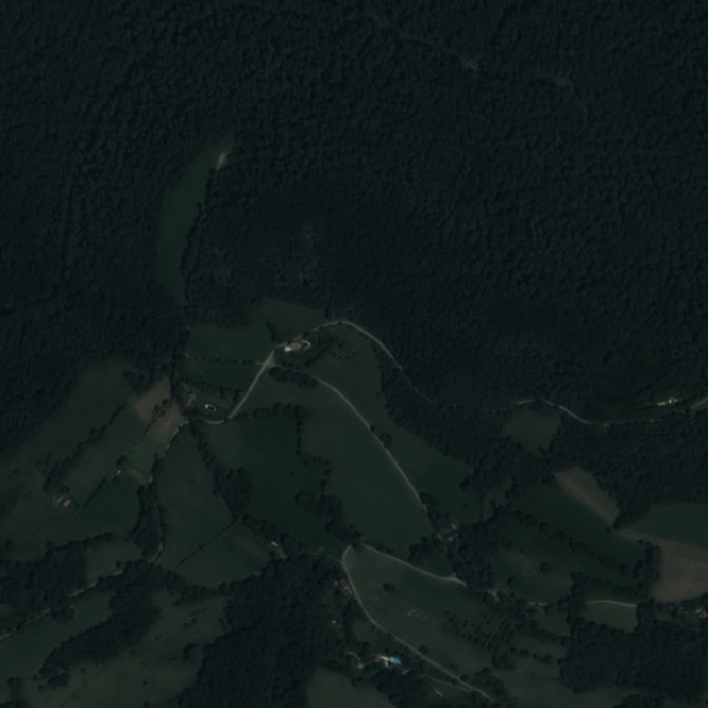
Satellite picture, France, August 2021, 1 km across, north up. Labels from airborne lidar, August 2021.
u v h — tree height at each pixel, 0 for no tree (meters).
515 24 28
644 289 26
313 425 0
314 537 0
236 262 19
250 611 19
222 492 20
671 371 17
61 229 25
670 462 19
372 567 0
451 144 30
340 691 0
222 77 25
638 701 14
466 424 20
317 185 20
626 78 29
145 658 0
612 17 25
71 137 23
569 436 19
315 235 19
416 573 0
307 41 26
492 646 9
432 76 24
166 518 6
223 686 29
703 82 24
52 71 28
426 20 27
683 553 0
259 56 24
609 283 27
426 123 25
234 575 0
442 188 26
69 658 19
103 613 0
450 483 0
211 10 22
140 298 26
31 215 28
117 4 30
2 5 16
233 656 28
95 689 0
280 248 19
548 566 9
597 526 0
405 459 0
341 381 0
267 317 0
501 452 23
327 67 27
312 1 28
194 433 5
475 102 17
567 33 22
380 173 20
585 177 20
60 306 35
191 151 18
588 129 26
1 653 0
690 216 24
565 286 22
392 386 17
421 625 0
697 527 0
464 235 21
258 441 0
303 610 25
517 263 23
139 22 26
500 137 20
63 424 0
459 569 20
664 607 13
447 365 19
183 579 17
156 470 13
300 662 27
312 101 22
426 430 13
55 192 18
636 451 18
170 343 14
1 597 19
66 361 26
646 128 22
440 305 24
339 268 19
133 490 0
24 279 33
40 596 24
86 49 30
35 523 0
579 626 20
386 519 0
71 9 29
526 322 19
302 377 14
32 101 32
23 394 23
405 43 21
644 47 33
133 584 14
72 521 0
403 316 20
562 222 26
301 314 0
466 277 18
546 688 0
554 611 13
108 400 0
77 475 0
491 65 22
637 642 19
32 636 0
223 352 0
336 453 0
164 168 21
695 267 24
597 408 6
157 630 0
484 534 22
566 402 21
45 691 15
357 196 22
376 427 11
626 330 18
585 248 22
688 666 17
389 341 17
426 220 18
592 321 20
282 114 26
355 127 27
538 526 18
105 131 21
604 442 15
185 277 6
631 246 25
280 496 0
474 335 20
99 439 13
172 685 0
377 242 19
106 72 29
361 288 16
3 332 31
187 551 0
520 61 19
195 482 0
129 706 0
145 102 28
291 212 17
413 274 19
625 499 19
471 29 24
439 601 0
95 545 21
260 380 0
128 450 0
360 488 0
